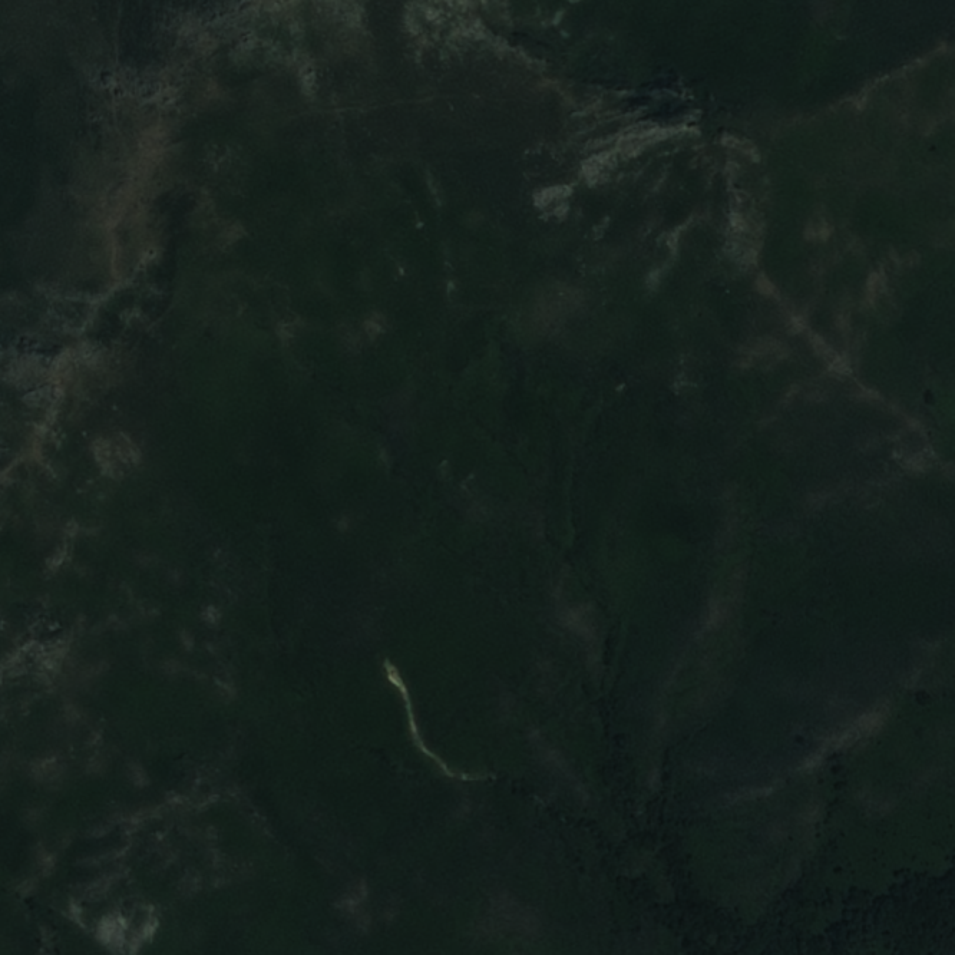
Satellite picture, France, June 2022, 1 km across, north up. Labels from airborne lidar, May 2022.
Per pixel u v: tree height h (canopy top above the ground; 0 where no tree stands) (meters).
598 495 0
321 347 0
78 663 0
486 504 0
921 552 0
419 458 0
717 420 0
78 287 0
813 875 13
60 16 0
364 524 0
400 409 0
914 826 0
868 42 0
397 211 0
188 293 0
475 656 0
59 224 0
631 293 0
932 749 0
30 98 0
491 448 0
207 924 0
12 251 0
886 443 0
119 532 0
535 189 0
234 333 0
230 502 0
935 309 0
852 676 0
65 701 0
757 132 0
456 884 0
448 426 0
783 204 0
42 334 0
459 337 0
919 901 16
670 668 0
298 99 0
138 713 0
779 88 0
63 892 0
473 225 0
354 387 0
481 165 0
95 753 0
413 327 0
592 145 0
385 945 0
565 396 0
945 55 0
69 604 0
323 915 0
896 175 0
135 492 0
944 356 0
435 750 0
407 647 0
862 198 0
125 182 0
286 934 0
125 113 0
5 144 0
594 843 6
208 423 0
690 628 0
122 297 0
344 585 0
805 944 12
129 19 0
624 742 19
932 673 0
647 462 0
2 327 0
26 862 0
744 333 0
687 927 19
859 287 0
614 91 6
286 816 0
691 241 0
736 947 16
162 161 0
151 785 0
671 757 8
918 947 20
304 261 0
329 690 0
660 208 0
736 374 0
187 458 0
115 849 0
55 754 0
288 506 0
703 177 0
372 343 0
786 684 0
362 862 0
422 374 0
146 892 0
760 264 0
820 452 0
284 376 0
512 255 0
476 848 0
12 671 0
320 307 0
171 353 0
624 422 0
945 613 0
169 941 0
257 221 0
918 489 0
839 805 10
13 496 0
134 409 0
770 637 0
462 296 0
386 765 6
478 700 0
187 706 0
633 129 0
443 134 0
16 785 0
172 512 0
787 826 0
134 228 0
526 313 0
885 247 0
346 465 0
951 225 0
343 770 0
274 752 0
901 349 0
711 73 0
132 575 0
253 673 0
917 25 0
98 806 0
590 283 0
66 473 0
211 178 0
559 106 0
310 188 0
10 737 0
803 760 0
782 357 0
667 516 0
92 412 0
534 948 0
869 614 0
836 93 0
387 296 0
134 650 0
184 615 0
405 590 0
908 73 0
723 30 0
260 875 0
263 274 0
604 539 0
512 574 0
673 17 0
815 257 0
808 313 0
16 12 0
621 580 0
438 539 0
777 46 0
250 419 0
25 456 0
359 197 0
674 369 0
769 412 0
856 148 0
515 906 0
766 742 0
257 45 0
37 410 0
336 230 0
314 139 0
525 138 0
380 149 0
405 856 0
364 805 0
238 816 0
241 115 0
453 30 0
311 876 0
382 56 0
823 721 0
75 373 0
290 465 0
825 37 0
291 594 0
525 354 0
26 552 0
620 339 0
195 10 0
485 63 0
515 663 0
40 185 0
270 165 0
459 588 0
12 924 0
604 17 0
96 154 0
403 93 0
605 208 0
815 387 0
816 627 0
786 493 0
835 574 0
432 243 0
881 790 0
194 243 0
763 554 0
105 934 0
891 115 0
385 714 0
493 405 0
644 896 14
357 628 0
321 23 0
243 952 0
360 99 0
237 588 0
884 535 0
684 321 0
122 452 0
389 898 0
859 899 12
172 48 0
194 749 0
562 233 0
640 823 17
